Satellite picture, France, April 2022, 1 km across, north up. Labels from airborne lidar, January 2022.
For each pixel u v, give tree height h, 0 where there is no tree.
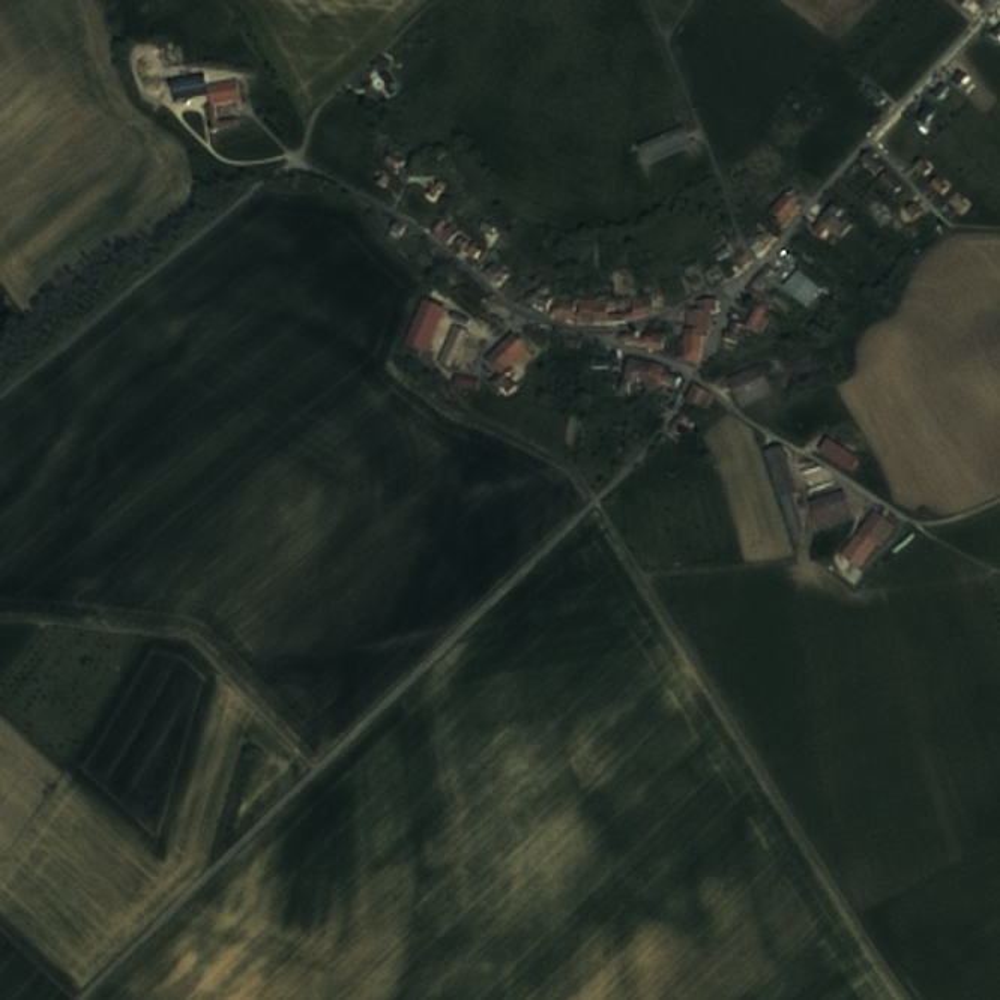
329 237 0
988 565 0
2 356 28
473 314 0
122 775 0
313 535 0
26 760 0
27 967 0
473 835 0
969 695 0
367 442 0
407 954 0
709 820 0
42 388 0
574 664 0
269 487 0
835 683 0
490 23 0
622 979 0
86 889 0
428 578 0
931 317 0
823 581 0
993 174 0
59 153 0
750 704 0
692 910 0
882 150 0
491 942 0
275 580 0
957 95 0
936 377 0
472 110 0
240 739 0
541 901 0
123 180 0
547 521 0
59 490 0
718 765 0
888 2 0
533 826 0
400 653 0
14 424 0
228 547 0
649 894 0
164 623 0
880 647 0
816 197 0
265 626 0
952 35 0
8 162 0
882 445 0
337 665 0
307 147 0
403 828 0
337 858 0
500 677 0
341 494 0
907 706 0
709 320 0
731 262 0
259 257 0
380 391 0
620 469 10
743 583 0
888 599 0
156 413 0
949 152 0
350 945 0
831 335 9
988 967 0
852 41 0
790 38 0
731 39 0
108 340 0
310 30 0
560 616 0
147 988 0
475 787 0
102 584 0
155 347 0
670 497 0
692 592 0
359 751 0
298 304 0
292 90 0
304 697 0
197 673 0
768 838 0
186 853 0
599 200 0
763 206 0
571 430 0
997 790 0
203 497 0
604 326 0
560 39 0
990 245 0
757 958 0
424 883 0
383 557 0
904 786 0
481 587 0
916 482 0
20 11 0
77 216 0
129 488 0
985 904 0
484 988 0
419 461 0
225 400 0
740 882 0
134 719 0
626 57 0
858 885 0
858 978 0
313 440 0
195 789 0
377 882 0
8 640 0
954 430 0
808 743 0
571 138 0
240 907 0
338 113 0
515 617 0
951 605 0
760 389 0
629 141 0
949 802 0
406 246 0
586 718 0
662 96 0
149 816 0
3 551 0
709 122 0
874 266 0
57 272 0
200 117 0
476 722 0
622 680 0
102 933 0
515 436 0
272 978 0
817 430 0
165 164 0
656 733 0
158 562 0
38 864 0
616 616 0
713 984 0
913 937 0
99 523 0
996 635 0
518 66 0
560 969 0
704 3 0
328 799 0
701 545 0
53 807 0
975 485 0
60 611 0
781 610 0
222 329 0
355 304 0
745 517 0
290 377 0
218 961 0
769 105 0
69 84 0
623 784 0
